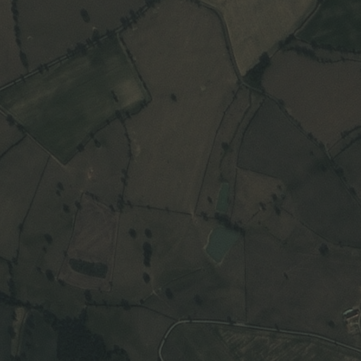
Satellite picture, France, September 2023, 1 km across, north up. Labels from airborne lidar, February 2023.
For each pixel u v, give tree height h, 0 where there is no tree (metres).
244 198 0
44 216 0
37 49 0
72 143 0
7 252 0
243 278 0
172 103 0
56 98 0
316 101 0
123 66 0
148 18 0
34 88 0
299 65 0
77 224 0
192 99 0
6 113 0
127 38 0
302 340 0
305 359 0
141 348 0
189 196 0
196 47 0
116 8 0
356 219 0
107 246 0
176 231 0
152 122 0
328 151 0
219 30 0
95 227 0
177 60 0
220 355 0
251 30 0
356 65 0
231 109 0
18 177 0
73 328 23
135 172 0
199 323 0
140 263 0
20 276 0
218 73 0
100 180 0
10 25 0
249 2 0
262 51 0
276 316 0
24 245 0
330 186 0
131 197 0
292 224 0
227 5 0
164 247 0
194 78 0
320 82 0
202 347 0
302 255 0
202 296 0
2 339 0
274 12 0
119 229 0
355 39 0
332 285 0
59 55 0
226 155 0
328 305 0
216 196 0
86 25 0
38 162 0
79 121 0
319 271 0
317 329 0
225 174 0
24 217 0
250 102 0
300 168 0
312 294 0
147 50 0
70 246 0
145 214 0
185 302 0
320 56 0
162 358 0
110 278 0
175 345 0
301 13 0
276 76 0
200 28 0
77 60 0
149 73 0
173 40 0
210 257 0
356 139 6
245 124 0
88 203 0
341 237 0
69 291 0
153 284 0
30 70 0
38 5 0
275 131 0
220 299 0
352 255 0
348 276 0
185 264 0
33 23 0
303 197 0
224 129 0
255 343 0
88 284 0
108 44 0
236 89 0
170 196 0
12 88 0
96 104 0
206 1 0
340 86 0
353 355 0
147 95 0
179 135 0
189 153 0
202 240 0
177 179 0
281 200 0
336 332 0
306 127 0
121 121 15
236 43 0
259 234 0
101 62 0
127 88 0
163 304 0
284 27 0
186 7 0
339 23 0
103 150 0
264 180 0
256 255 0
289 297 0
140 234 0
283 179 0
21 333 0
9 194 0
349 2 0
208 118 0
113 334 0
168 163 0
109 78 0
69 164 0
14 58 0
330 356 0
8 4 0
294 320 0
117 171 0
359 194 0
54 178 0
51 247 0
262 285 0
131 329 0
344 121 0
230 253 0
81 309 0
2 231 0
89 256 0
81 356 15
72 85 0
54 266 0
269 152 0
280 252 0
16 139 0
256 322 0
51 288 0
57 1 0
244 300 0
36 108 0
